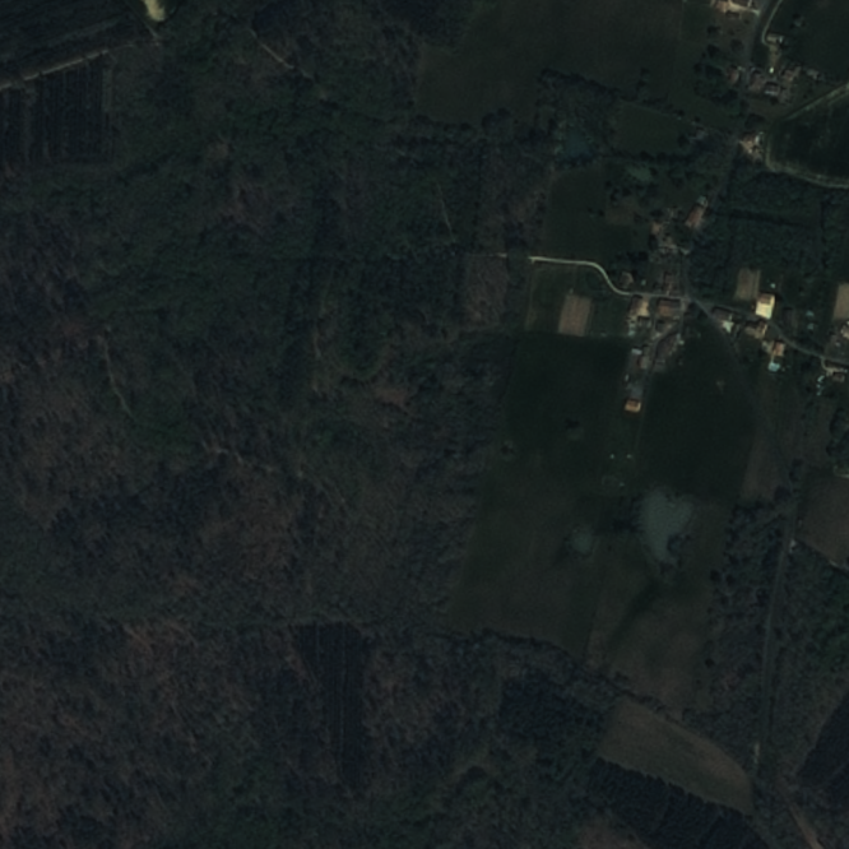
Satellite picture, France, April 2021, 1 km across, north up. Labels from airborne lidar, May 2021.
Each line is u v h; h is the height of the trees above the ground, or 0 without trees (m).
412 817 13
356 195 16
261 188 13
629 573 0
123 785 14
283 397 17
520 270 13
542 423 0
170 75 18
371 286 24
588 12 0
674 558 11
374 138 18
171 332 12
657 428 0
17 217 12
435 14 16
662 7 0
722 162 30
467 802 19
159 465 10
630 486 0
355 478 15
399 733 17
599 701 10
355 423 18
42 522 13
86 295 24
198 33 17
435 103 0
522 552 0
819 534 0
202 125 12
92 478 17
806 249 5
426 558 6
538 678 19
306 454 17
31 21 10
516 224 6
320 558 13
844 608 18
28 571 21
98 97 8
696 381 0
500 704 22
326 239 22
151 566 12
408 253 18
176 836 15
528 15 0
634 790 13
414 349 14
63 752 9
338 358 17
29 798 11
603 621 0
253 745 10
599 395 0
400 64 16
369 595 15
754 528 11
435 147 17
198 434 12
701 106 0
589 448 0
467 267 13
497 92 0
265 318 15
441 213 14
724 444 0
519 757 17
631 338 0
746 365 8
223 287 15
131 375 13
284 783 14
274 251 15
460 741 27
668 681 0
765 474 0
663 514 0
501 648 22
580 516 0
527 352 0
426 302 24
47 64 7
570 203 0
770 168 0
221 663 7
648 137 0
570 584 0
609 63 0
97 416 16
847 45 0
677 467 0
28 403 10
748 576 8
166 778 10
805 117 0
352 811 21
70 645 22
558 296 0
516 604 0
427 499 14
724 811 9
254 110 19
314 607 19
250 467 11
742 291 0
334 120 25
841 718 11
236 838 20
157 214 19
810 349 11
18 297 6
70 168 14
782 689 17
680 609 0
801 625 14
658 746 0
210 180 21
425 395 15
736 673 7
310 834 15
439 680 21
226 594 17
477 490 8
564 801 13
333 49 14
